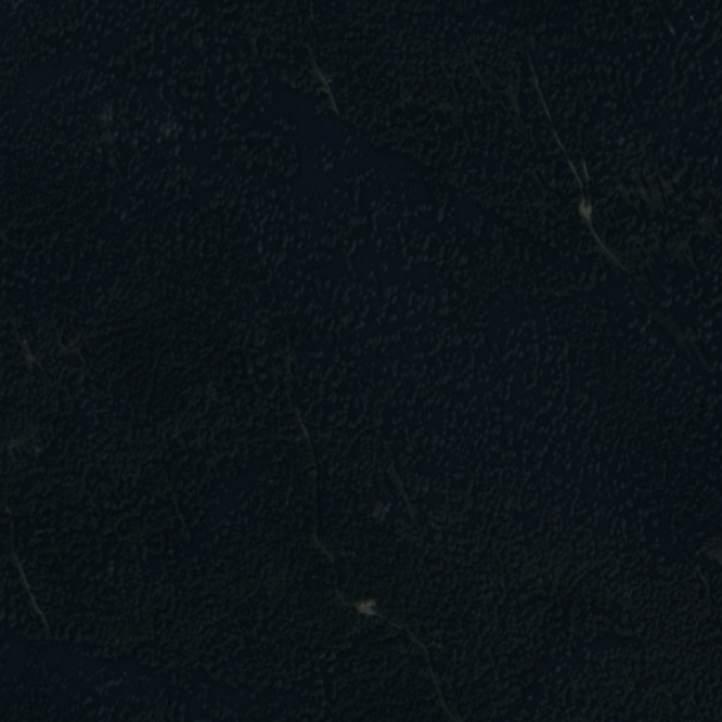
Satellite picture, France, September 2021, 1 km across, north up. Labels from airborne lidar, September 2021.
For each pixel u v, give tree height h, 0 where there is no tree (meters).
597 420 18
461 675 12
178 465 23
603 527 7
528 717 24
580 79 14
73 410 7
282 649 29
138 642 9
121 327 25
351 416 7
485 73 17
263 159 25
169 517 25
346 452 24
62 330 20
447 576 23
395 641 16
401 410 11
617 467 28
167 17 36
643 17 8
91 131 33
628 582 20
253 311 13
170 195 12
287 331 14
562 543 25
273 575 20
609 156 25
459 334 9
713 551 0
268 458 19
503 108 6
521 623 31
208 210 12
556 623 24
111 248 24
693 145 10
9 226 28
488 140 25
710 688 25
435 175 20
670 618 28
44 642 14
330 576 18
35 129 34
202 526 14
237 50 17
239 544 24
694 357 0
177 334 20
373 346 20
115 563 21
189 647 29
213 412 24
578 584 15
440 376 34
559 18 8
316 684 32
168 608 24
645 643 21
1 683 29
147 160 22
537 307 10
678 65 7
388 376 8
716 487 6
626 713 28
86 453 32
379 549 20
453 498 23
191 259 13
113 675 15
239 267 23
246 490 23
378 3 30
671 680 14
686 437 12
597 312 22
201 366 18
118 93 7
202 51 17
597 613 16
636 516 28
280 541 17
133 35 18
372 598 17
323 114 8
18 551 13
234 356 22
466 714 24
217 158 31
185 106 15
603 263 7
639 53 19
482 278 17
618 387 17
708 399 32
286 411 27
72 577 9
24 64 26
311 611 21
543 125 26
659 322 0
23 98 10
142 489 15
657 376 11
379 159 19
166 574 23
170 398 22
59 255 18
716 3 22
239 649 29
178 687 14
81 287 18
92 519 27
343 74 18
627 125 23
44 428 31
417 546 27
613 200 9
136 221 25
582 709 30
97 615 33
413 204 16
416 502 10
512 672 16
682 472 10
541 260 14
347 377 18
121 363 27
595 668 18
